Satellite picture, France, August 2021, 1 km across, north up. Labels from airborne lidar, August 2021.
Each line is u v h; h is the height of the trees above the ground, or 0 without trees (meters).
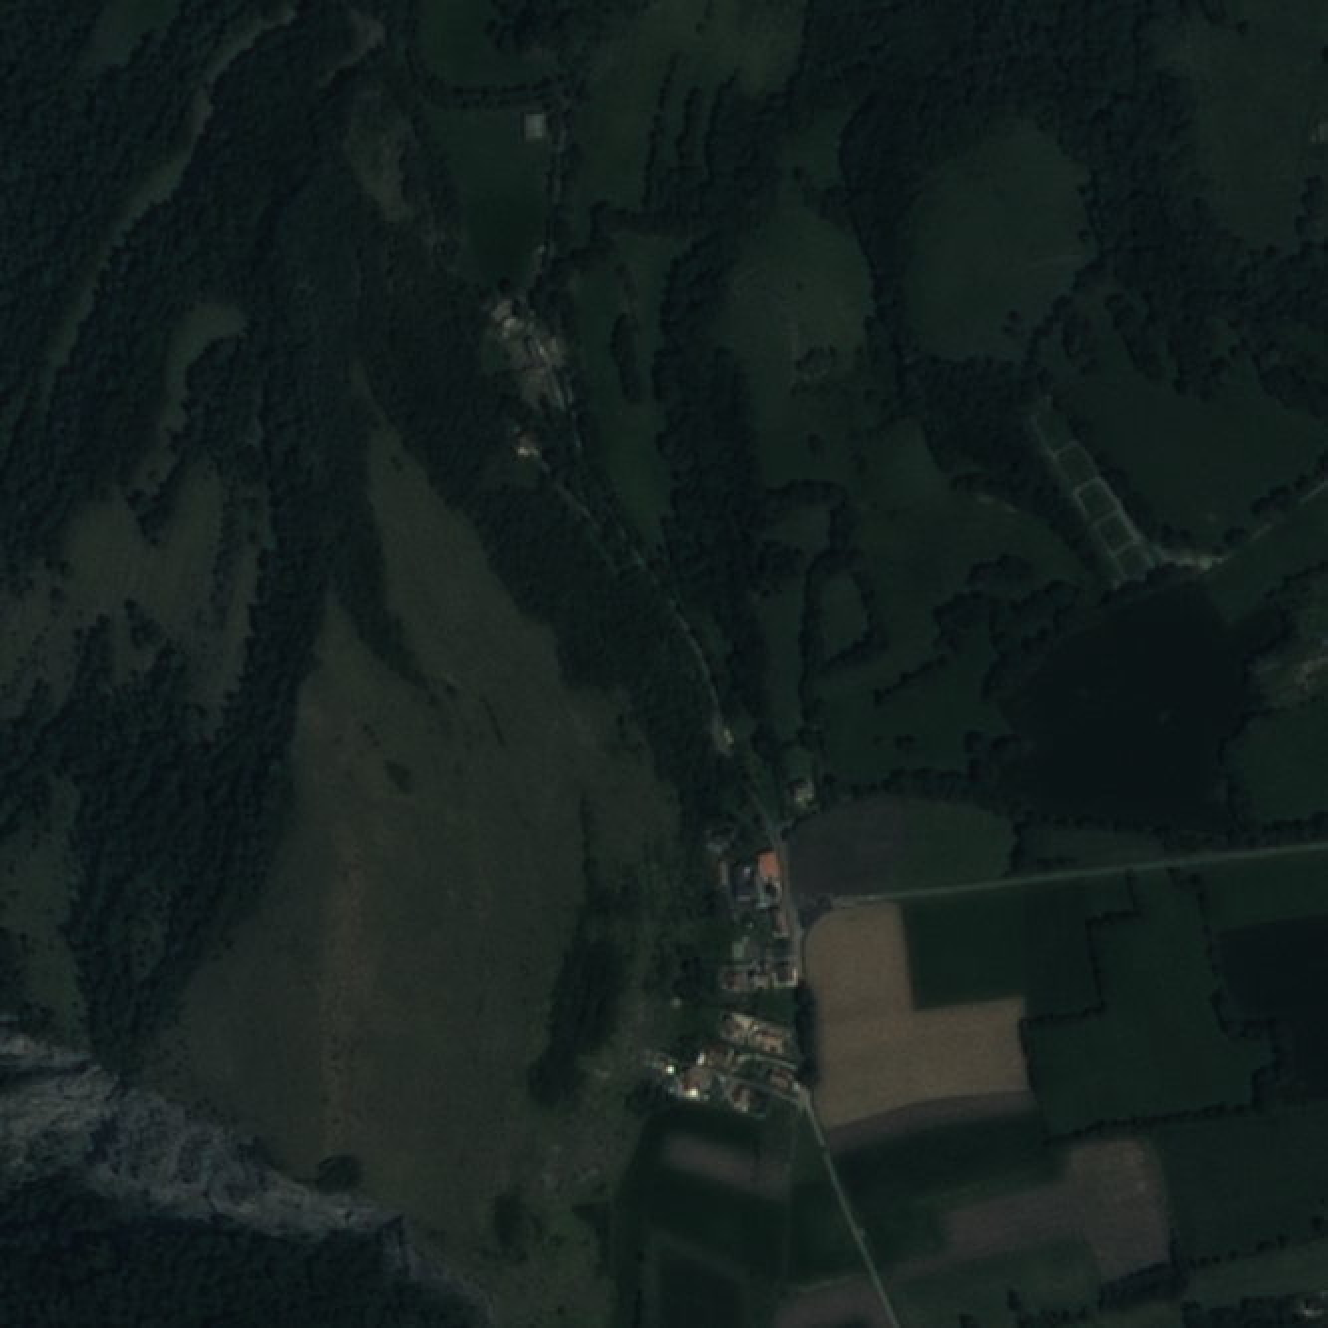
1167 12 14
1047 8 21
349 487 10
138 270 19
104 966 13
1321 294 19
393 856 0
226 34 10
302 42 18
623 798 0
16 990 15
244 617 0
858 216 20
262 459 15
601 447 19
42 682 7
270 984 0
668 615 12
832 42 11
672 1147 0
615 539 13
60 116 13
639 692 7
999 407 12
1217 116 0
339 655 0
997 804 17
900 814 0
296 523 18
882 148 31
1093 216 14
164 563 0
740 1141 0
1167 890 0
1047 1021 10
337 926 0
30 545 9
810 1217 0
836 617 0
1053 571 0
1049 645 15
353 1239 8
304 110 17
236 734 11
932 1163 0
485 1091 0
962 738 0
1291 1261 0
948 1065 0
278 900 0
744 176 25
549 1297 0
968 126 20
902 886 0
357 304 8
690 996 7
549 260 9
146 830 18
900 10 25
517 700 0
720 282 21
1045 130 10
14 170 19
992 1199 0
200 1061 0
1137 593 14
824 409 0
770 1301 0
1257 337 22
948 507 0
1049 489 12
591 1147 0
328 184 9
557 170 8
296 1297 17
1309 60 0
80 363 12
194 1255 22
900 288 18
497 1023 0
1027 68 22
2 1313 15
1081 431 16
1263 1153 0
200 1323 10
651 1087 9
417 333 13
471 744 0
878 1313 0
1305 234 14
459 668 0
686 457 21
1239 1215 0
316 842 0
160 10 0
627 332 17
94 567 0
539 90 8
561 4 21
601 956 9
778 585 7
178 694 15
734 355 14
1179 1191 0
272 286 15
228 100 18
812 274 0
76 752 19
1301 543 0
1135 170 28
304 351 9
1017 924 0
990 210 0
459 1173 0
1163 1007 0
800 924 0
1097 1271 0
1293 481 0
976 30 22
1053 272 0
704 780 9
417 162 13
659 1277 0
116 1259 11
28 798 13
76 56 13
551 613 8
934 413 17
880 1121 0
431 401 10
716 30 0
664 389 18
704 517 21
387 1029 0
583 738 0
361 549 6
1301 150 0
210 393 12
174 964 10
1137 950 0
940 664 7
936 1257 0
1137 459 0
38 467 11
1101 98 23
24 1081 9
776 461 0
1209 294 18
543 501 12
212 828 18
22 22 11
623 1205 0
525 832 0
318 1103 0
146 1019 13
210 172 24
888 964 0
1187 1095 0
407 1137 0
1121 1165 0
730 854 7
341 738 0
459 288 6
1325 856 0
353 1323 10
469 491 9
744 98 14
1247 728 15
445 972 0
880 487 0
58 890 0
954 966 0
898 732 0
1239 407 0
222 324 0
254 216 20
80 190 14
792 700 0
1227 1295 0
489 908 0
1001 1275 0
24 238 15
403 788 0
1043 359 11
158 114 11
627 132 0
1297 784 0
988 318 0
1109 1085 0
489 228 0
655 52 0
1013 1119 0
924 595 0
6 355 12
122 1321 16
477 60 0
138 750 12
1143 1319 0
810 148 0
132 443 15
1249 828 19
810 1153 0
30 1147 6
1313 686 0
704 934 0
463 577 0
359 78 13
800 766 0
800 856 0
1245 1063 0
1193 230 18
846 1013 0
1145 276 20
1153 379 12
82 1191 7
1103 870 0
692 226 22
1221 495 0
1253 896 0
